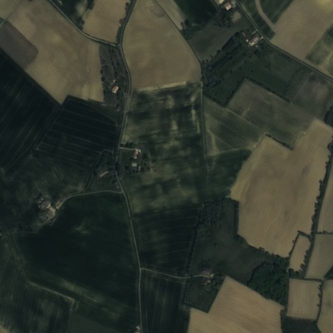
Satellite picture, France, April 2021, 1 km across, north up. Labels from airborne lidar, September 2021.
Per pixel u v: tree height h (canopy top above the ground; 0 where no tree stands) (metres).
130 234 0
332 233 6
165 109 0
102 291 0
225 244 0
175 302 0
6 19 0
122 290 0
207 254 0
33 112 0
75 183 0
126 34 0
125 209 0
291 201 0
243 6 0
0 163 0
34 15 0
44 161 0
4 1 0
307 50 0
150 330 0
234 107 0
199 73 0
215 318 0
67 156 0
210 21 0
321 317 0
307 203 0
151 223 0
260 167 0
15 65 0
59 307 0
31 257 0
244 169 0
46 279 0
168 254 0
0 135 0
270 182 0
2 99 0
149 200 0
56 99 0
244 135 0
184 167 0
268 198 0
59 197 0
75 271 0
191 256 8
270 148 0
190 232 0
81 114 0
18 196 0
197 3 0
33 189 0
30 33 0
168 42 0
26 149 0
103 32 0
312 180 0
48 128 0
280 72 0
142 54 0
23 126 0
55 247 0
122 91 17
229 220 0
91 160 0
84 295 0
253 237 0
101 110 0
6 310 0
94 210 0
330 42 0
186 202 0
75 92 0
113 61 14
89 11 0
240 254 0
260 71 0
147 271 0
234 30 0
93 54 0
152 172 0
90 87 0
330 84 0
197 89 0
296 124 0
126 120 0
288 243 0
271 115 0
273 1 0
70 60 0
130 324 0
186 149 0
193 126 0
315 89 0
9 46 0
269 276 25
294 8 0
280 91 0
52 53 0
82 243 0
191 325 0
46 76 0
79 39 0
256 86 0
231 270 0
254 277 18
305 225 0
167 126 0
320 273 0
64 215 0
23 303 0
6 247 0
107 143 0
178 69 0
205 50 0
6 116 0
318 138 0
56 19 0
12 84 0
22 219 0
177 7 0
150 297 0
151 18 0
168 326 0
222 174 0
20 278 0
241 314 0
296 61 0
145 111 0
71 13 0
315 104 0
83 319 0
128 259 0
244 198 0
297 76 18
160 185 0
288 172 0
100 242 0
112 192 0
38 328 0
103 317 0
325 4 0
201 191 0
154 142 0
